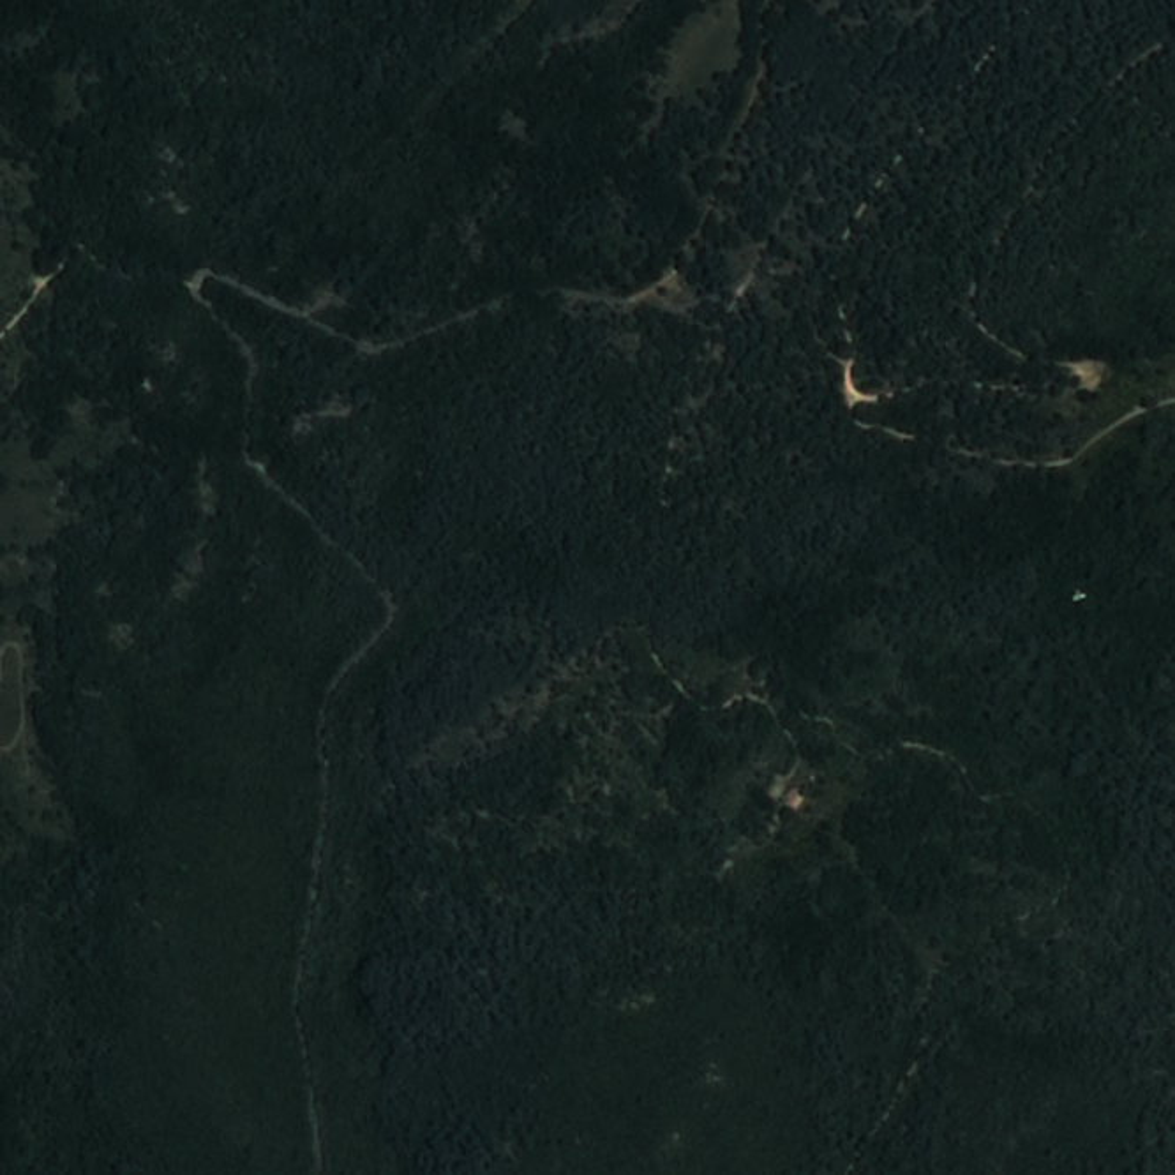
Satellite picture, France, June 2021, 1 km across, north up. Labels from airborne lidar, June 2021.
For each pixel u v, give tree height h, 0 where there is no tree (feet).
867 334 34
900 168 55
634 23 54
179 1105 22
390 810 38
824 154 37
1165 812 19
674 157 54
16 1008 37
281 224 43
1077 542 29
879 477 33
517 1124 23
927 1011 43
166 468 36
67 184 30
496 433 42
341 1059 32
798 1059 32
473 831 37
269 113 49
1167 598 33
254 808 30
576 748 50
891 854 38
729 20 0
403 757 41
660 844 26
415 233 39
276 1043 29
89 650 32
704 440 36
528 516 39
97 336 36
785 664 32
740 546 33
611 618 38
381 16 42
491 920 53
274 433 34
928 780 29
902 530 52
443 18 43
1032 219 33
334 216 27
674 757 41
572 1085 22
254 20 27
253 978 29
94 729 23
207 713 24
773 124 35
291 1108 31
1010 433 43
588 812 27
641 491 38
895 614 48
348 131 32
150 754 41
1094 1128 24
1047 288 41
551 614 46
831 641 21
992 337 25
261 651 26
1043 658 43
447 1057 49
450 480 50
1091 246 30
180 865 25
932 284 49
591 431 40
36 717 43
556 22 54
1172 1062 29
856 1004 56
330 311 19
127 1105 23
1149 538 45
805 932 36
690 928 27
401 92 35
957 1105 19
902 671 28
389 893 28
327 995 31
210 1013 31
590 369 48
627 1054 24
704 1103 22
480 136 42
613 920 47
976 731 38
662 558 58
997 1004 45
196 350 23
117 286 44
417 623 33
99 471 23
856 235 36
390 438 34
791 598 38
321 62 38
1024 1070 23
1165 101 25
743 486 55
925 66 43
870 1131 23
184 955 22
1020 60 56
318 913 33
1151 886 62
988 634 35
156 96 39
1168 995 60
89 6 40
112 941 28
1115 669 36
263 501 26
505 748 35
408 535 27
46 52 33
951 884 31
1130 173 36
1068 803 23
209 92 29
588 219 51
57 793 24
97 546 26
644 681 34
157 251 37
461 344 50
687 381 22
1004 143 55
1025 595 59
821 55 52
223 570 25
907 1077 24
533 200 36
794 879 31
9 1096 26
